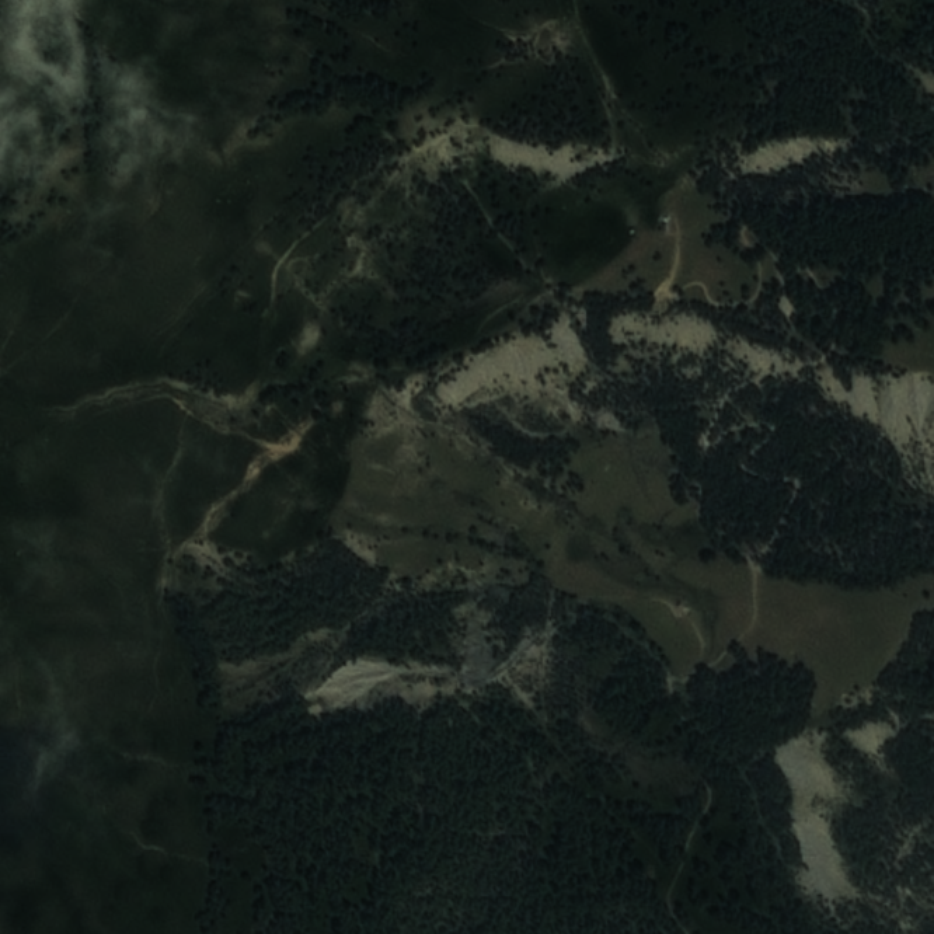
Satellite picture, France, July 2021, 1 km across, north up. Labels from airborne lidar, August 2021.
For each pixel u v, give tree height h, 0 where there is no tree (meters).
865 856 20
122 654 0
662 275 0
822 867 0
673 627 0
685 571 0
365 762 22
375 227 8
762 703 24
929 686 27
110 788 0
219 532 0
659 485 0
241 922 0
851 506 25
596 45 0
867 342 21
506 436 15
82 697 0
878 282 0
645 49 0
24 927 0
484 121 8
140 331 0
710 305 7
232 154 0
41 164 10
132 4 0
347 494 0
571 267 0
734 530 12
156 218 0
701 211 0
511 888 25
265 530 0
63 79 21
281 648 12
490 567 0
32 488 0
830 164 7
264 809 23
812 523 15
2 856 0
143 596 0
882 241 28
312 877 16
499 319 0
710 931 0
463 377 0
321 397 16
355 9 15
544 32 0
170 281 0
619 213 0
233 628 10
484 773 30
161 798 0
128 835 0
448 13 0
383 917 21
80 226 0
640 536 0
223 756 20
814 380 6
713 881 0
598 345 9
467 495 0
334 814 14
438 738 19
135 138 0
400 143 9
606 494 0
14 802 0
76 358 0
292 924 17
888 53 11
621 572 0
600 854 27
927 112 15
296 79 0
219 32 0
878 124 16
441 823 24
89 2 0
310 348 0
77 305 0
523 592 9
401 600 7
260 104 0
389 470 0
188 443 0
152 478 0
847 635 0
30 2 18
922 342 0
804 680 22
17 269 0
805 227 27
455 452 0
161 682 0
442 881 10
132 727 0
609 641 13
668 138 0
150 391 0
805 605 0
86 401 0
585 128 10
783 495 18
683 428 13
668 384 10
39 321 0
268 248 0
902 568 26
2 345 0
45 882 0
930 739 16
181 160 0
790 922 30
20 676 0
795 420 20
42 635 0
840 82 25
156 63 0
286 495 0
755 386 10
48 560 0
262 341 0
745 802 21
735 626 0
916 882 9
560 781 16
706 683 18
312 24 13
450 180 12
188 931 0
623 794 0
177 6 0
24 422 0
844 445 15
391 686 0
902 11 12
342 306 7
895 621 0
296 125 0
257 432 0
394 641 15
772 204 24
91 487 0
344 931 26
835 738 7
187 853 0
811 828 0
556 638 9
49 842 0
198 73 0
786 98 25
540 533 0
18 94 0
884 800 13
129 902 0
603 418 0
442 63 0
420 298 8
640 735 19
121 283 0
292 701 16
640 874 28
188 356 0
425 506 0
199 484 0
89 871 0
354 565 11
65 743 0
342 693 0
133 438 0
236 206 0
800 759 0
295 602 21
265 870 16
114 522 0
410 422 0
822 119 29
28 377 0
